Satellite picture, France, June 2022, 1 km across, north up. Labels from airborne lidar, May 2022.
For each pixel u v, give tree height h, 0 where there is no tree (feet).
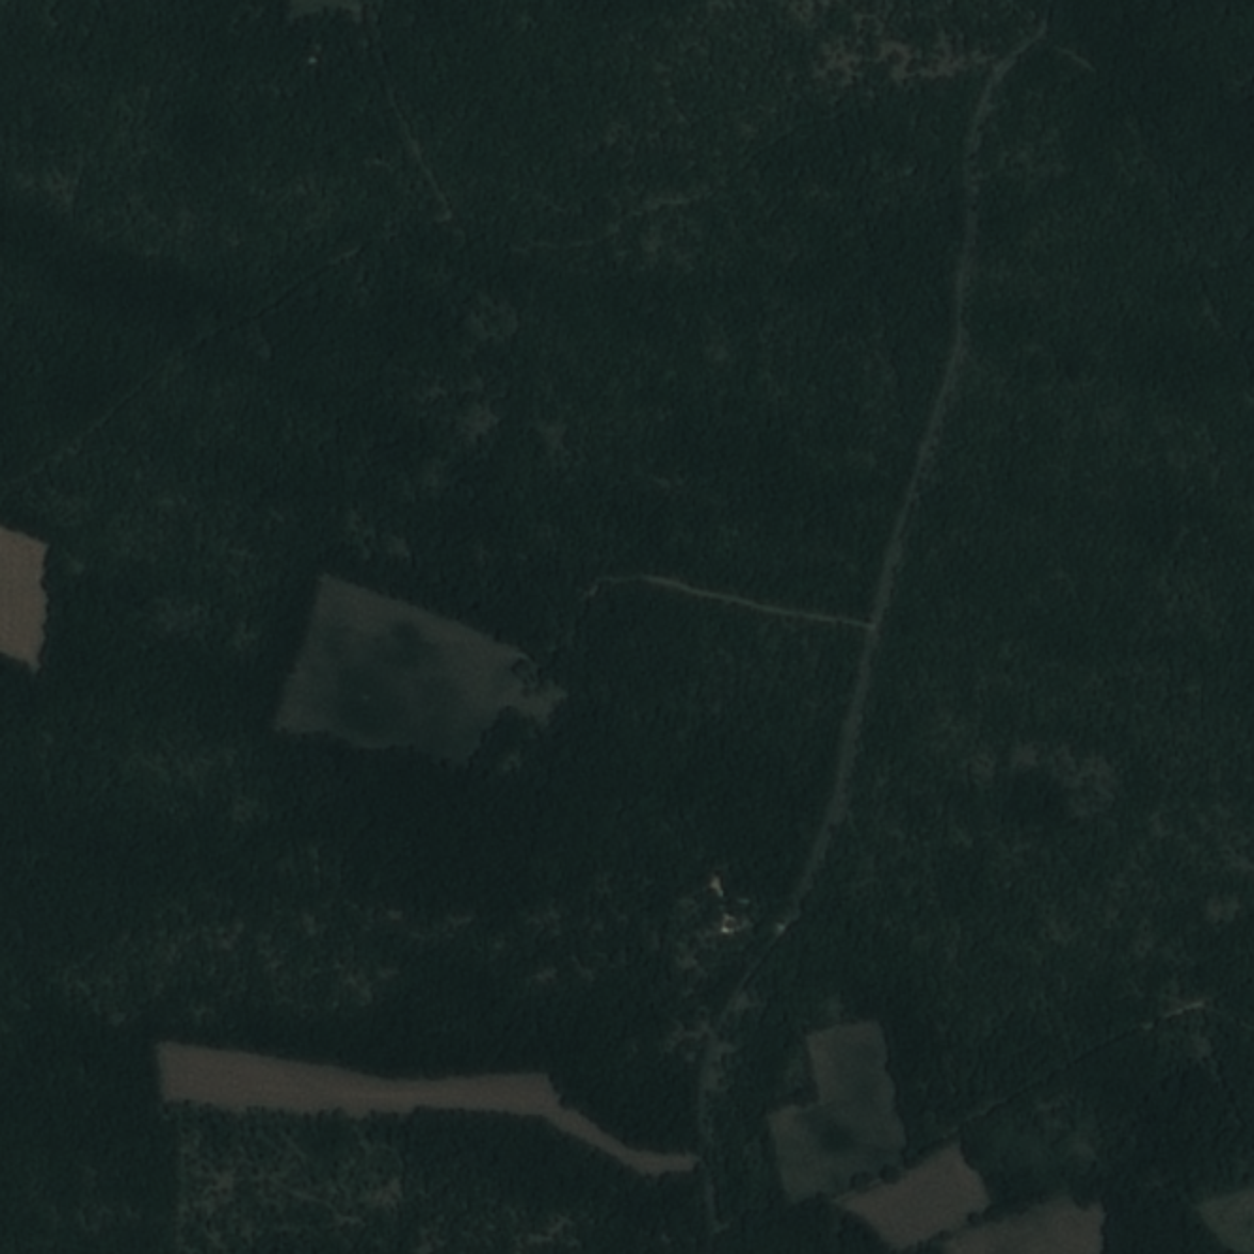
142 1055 32
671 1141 30
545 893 23
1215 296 25
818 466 18
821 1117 0
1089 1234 0
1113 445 18
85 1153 24
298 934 18
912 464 20
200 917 25
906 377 28
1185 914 21
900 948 25
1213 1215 0
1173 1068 36
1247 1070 41
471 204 20
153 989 23
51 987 24
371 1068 33
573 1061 26
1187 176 37
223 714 25
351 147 32
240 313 26
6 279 30
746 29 30
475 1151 47
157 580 23
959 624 19
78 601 29
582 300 23
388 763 38
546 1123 37
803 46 33
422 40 34
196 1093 0
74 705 26
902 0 25
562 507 20
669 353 25
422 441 32
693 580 22
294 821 33
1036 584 21
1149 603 19
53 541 27
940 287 30
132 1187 24
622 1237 29
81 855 37
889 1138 0
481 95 30
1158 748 20
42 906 41
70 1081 28
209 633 23
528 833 32
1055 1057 23
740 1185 34
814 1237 33
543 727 31
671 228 21
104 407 37
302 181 22
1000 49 30
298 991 26
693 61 30
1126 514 23
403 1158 34
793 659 18
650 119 29
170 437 20
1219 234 30
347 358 25
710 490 19
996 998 22
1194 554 23
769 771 30
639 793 33
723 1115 40
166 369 25
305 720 0
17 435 34
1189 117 31
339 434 30
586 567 27
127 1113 31
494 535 36
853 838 23
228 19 27
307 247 29
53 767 29
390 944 38
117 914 33
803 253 20
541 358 22
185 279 31
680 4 32
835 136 19
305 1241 39
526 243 24
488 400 29
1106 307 21
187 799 29
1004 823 22
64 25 37
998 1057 27
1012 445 19
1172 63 35
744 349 17
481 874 26
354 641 0
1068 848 22
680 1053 27
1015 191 25
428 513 32
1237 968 21
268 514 30
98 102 32
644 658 36
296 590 38
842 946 33
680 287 19
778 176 24
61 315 29
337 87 34
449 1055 33
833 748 20
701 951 27
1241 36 35
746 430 26
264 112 36
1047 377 18
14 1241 28
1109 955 19
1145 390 23
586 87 29
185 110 29
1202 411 21
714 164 27
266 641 27
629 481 24
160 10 24
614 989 28
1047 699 20
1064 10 34
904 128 35
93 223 21
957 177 29
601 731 37
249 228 32
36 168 20
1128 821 20
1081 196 23
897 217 26
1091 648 22
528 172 20
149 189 30
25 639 0
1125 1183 27
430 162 21
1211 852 17
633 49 24
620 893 22
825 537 22
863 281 24
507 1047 29
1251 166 38
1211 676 21
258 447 26
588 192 28
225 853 27
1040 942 25
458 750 0
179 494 32
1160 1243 40
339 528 35
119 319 27
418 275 26
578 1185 34
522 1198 32
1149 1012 30
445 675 0
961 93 27
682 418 23
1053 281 20
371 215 27
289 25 33
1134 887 22
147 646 19
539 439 27
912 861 19
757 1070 44
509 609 39
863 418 25
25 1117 31
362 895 31
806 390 21
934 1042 26
